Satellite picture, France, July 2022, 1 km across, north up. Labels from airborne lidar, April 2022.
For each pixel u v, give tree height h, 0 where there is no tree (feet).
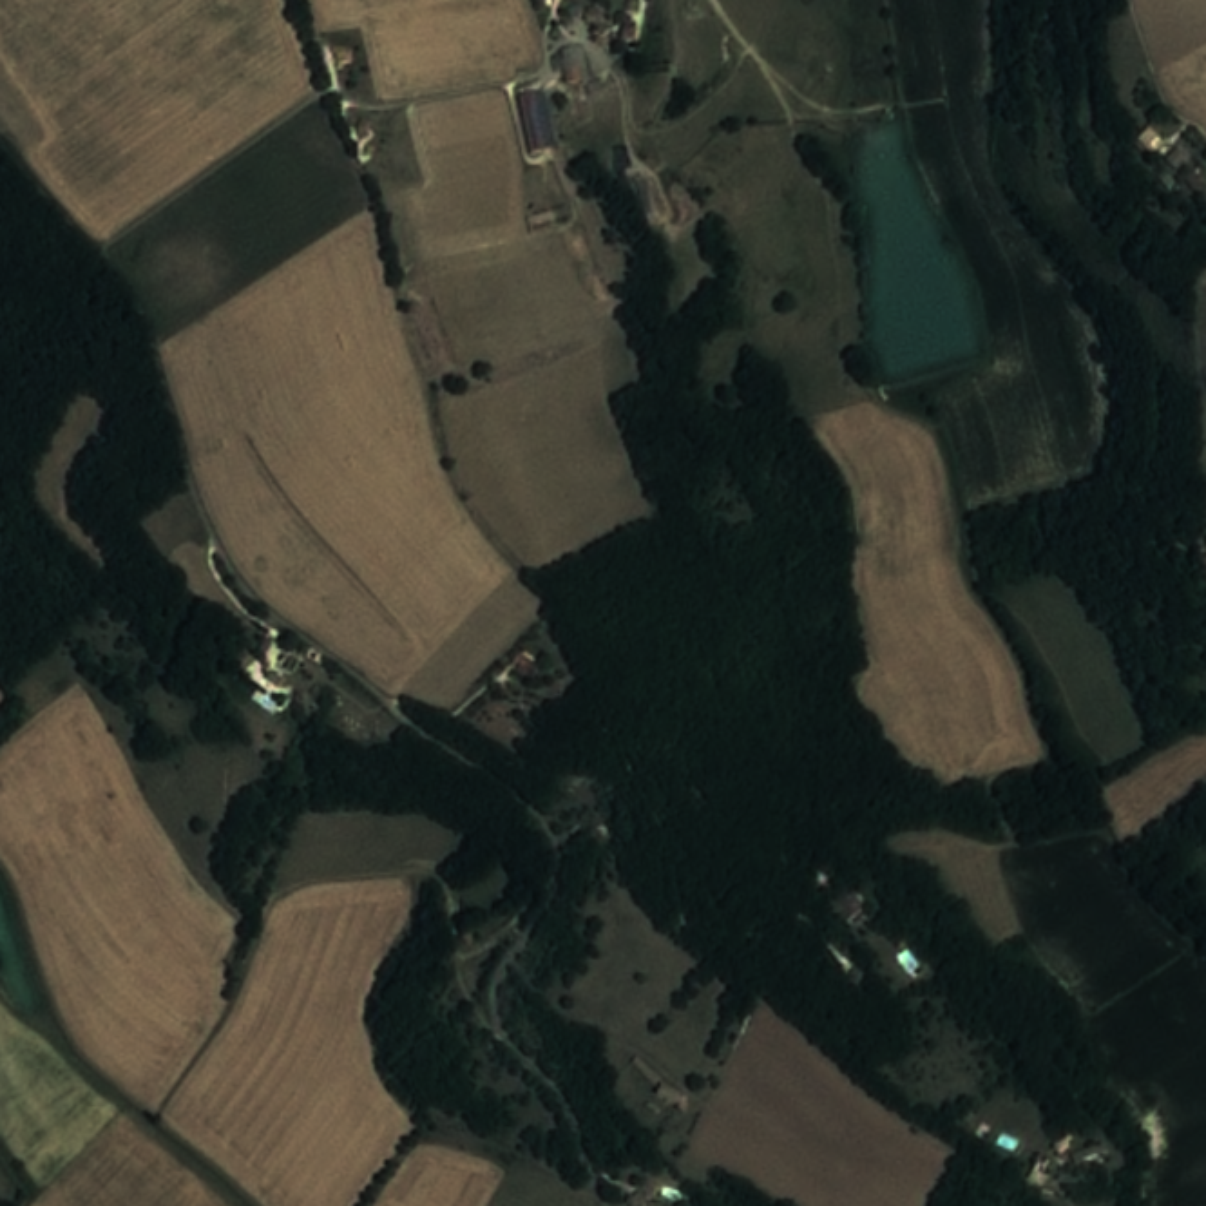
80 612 44
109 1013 0
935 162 0
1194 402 41
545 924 45
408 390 0
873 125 0
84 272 61
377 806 63
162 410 58
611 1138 41
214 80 0
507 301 0
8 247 51
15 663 66
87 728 0
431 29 0
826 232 0
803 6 0
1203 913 29
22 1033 0
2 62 0
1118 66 0
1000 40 30
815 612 56
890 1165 0
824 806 55
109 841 0
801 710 58
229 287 0
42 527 37
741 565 39
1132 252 61
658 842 31
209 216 0
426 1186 0
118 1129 0
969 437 0
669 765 31
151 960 0
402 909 0
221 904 0
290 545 0
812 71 0
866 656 46
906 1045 50
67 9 0
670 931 19
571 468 0
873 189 0
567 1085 39
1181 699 66
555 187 0
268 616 35
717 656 31
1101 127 34
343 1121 0
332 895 0
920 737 0
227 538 0
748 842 44
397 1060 39
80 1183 0
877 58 0
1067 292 0
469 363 0
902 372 0
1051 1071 51
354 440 0
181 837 0
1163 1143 0
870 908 35
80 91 0
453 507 0
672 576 44
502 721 0
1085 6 41
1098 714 0
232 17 0
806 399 0
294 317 0
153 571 55
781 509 40
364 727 0
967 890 0
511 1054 38
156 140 0
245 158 0
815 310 0
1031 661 26
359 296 0
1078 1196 19
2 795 0
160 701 0
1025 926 0
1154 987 0
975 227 0
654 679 35
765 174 0
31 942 0
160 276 0
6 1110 0
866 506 0
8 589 64
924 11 0
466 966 0
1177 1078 0
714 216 33
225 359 0
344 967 0
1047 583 0
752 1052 0
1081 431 0
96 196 0
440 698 0
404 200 0
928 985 30
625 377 0
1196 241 58
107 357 65
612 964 0
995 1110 0
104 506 49
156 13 0
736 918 37
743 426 58
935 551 0
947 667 0
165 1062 0
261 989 0
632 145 0
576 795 0
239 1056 0
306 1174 0
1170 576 64
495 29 0
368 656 0
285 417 0
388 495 0
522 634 0
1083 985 0
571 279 0
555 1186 0
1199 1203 0
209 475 0
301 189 0
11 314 56
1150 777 0
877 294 0
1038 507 27
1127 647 40
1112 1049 0
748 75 0
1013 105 54
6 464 67
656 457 56
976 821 33
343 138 24
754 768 41
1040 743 0
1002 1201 28
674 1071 0
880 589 0
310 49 31
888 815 59
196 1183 0
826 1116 0
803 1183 0
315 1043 0
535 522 0
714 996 0
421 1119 32
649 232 58
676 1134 0
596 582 44
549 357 0
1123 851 59
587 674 39
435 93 0
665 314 55
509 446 0
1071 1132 22
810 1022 37
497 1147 0
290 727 0
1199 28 0
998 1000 51
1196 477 45
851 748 62
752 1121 0
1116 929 0
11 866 0
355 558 0
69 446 0
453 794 56
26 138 0
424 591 0
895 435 0
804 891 35
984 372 0
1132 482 38
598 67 0
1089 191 47
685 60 0
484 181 0
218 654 64
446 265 0
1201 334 0
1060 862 0
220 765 0
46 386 75
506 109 0
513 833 62
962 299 0
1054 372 0
